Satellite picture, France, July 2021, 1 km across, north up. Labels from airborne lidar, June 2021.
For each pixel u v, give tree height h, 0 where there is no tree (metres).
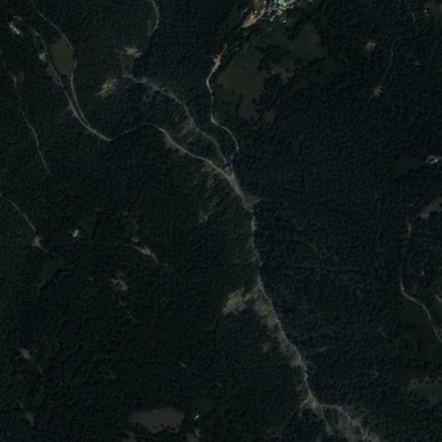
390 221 20
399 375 16
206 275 22
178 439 12
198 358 12
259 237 24
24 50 14
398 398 16
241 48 9
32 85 17
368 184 11
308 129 14
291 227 9
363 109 31
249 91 0
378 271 27
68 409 16
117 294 13
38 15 14
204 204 12
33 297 13
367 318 19
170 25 8
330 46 12
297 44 0
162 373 26
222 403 13
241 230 13
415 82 13
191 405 11
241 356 15
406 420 16
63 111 13
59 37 8
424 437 14
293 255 24
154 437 14
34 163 17
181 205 17
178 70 11
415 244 21
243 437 12
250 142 18
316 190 22
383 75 12
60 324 8
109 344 10
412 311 0
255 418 19
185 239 16
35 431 24
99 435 13
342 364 19
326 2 12
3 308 13
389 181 22
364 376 21
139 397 10
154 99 14
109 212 8
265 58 8
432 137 14
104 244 11
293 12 9
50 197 16
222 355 15
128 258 7
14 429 23
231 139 12
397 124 27
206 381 25
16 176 19
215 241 27
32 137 12
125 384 20
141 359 14
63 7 28
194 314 18
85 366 24
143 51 14
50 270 0
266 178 11
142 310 18
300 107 21
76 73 9
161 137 15
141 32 15
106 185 25
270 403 23
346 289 10
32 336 19
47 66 9
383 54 10
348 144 17
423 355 14
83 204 20
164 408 10
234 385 25
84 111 13
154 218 11
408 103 11
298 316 11
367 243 21
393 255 10
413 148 19
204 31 12
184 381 26
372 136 24
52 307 16
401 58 12
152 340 17
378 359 14
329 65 0
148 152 21
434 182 23
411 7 11
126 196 18
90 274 11
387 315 19
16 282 16
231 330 16
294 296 6
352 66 6
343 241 21
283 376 21
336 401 18
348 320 9
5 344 22
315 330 11
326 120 24
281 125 15
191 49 17
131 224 5
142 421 0
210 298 18
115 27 16
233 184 0
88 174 8
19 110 11
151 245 14
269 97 17
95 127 19
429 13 11
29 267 12
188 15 16
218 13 16
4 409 12
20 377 7
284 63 0
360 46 8
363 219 16
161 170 18
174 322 14
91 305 11
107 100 13
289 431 16
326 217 18
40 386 17
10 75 13
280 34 0
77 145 18
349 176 20
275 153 10
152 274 10
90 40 13
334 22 13
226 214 19
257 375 20
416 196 28
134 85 11
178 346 11
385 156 17
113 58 9
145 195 18
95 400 13
